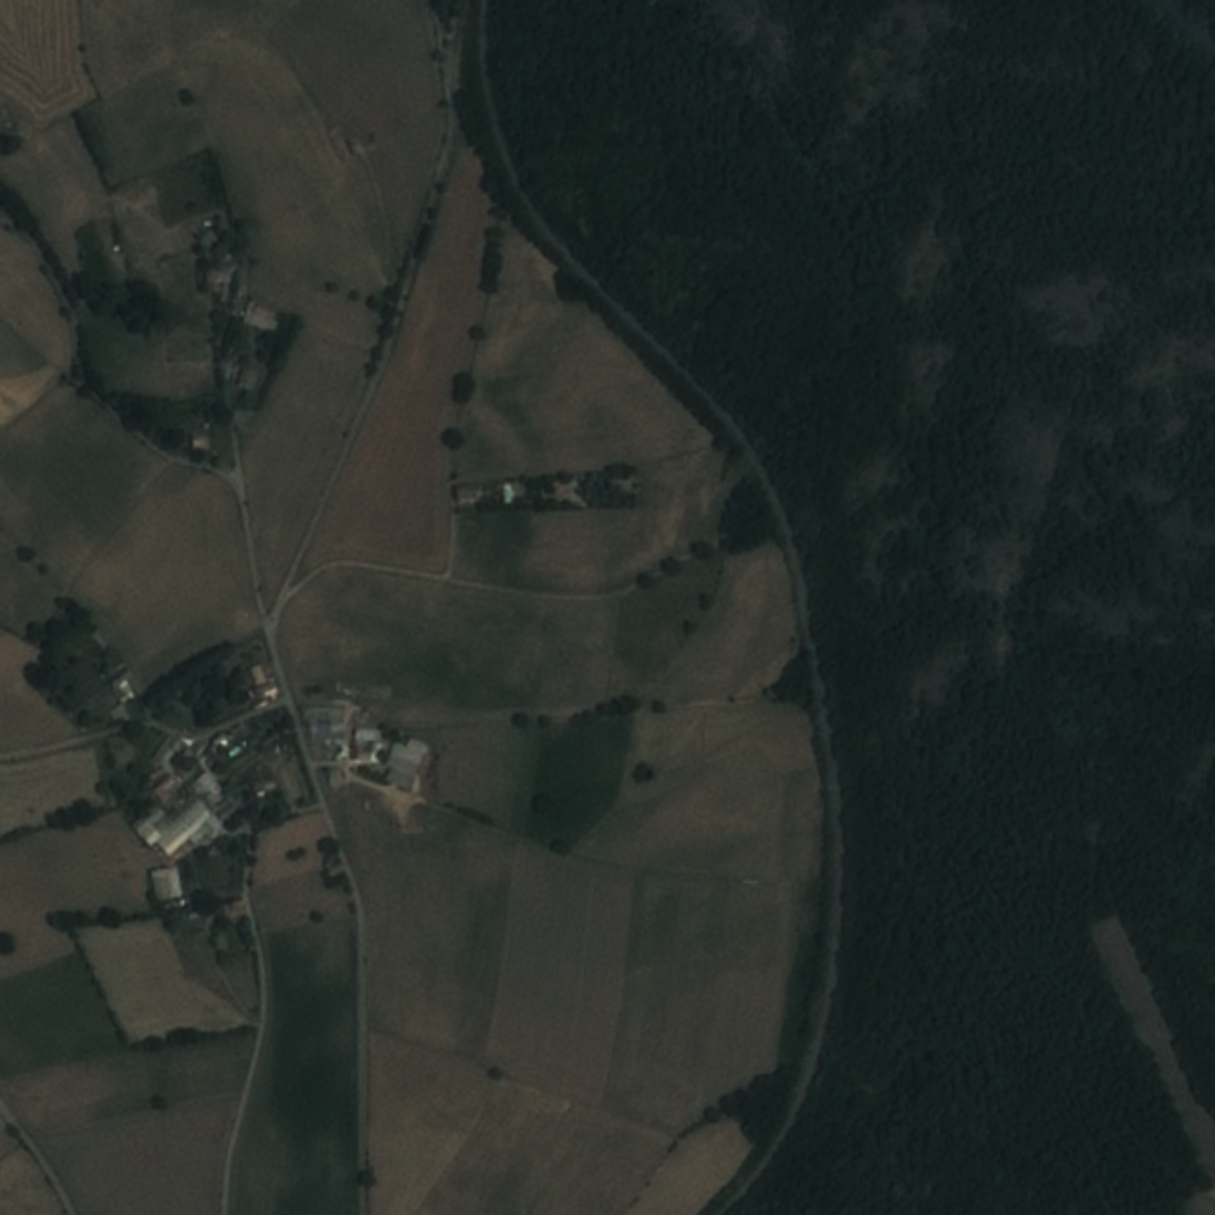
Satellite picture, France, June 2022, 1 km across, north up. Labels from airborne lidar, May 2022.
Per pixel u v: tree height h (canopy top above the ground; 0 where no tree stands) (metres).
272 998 0
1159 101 19
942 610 19
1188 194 6
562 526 0
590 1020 0
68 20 0
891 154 19
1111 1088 15
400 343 0
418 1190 0
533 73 16
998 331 11
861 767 14
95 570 0
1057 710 14
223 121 0
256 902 0
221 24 0
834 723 14
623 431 0
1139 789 8
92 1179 0
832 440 12
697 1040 0
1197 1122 0
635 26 23
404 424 0
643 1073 0
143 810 10
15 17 0
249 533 0
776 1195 10
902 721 9
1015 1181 11
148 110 0
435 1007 0
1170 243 10
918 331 11
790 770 0
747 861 0
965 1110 13
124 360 0
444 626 0
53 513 0
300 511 0
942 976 10
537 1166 0
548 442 0
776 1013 0
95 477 0
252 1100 0
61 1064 0
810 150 6
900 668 13
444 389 0
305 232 0
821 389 20
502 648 0
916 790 14
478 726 0
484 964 0
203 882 0
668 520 0
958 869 23
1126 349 9
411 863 0
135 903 0
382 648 0
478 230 0
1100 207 8
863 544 8
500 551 0
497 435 0
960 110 7
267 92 0
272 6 0
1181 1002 15
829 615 16
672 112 14
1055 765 15
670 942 0
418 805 0
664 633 0
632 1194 0
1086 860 11
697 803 0
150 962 0
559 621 0
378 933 0
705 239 14
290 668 0
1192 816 6
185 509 0
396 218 0
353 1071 0
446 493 0
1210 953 11
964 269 18
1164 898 14
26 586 0
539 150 18
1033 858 9
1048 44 6
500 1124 0
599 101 15
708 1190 0
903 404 8
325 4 0
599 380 0
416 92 0
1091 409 11
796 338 16
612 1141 0
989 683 10
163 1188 0
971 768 6
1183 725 8
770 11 8
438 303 0
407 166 0
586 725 9
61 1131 0
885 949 12
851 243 16
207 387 0
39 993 0
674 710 0
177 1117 0
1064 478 10
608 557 0
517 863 0
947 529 16
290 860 6
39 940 0
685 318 11
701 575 0
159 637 0
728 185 20
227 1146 0
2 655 0
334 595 0
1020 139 11
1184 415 8
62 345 0
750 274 12
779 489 11
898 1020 8
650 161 16
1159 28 12
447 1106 0
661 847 0
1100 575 14
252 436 0
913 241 7
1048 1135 13
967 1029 14
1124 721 14
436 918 0
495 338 0
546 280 0
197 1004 0
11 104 0
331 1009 0
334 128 0
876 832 14
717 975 0
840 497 12
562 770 0
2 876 0
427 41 0
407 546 0
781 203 20
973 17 7
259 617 0
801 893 0
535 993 0
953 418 12
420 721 0
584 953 0
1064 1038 10
